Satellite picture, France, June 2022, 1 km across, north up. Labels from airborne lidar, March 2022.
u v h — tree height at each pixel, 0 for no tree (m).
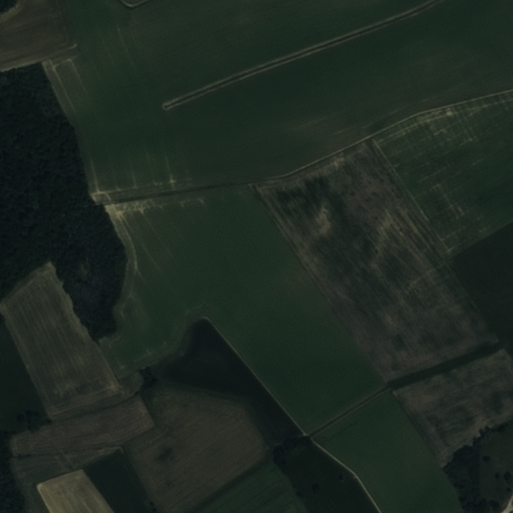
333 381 0
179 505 0
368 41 0
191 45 0
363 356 0
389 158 0
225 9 0
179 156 0
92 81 0
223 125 0
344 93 0
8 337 0
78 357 0
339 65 0
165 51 0
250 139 0
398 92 0
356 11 0
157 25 0
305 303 0
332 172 0
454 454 0
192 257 0
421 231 0
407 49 0
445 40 0
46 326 0
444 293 0
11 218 25
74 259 23
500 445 0
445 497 0
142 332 0
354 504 0
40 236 22
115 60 0
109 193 0
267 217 0
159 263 0
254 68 0
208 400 0
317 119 0
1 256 25
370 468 0
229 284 0
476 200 0
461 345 0
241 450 0
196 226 0
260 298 0
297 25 0
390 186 0
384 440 0
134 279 0
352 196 0
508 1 0
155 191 0
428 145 0
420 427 0
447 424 0
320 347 0
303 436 0
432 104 0
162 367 0
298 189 0
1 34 0
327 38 0
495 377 0
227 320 0
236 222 0
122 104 0
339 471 0
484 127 0
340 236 0
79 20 0
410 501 0
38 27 0
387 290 0
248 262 0
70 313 0
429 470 0
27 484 0
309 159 0
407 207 0
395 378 0
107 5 0
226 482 0
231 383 0
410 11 0
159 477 0
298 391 0
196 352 0
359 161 0
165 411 0
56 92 0
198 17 0
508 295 0
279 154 0
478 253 0
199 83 0
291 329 0
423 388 0
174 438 0
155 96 0
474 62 0
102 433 0
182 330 0
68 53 0
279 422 0
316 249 0
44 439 0
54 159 29
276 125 0
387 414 0
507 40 0
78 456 0
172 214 0
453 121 0
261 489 0
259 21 0
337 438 0
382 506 0
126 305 0
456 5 0
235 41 0
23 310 0
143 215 0
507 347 0
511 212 0
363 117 0
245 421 0
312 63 0
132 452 0
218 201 0
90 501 0
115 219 0
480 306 0
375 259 0
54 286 0
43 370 0
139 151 0
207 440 0
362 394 0
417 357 0
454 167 0
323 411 0
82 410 0
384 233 0
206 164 0
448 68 0
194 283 0
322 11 0
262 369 0
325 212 0
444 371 0
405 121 0
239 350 0
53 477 0
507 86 0
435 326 0
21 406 0
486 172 0
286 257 0
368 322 0
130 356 0
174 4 0
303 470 0
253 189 0
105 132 0
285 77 0
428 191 0
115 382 0
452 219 0
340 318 0
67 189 20
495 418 0
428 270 0
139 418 0
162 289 0
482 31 0
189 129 0
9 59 0
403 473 0
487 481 0
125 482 0
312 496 0
